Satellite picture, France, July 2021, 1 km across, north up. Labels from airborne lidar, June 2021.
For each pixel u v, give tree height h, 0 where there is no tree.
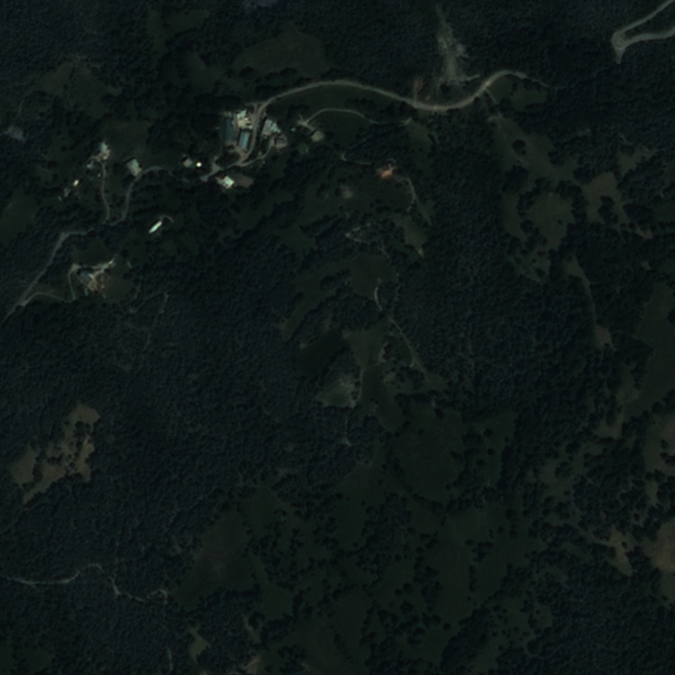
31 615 18
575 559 10
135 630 17
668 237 14
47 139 12
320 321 12
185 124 18
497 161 7
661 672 14
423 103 0
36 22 12
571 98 26
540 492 8
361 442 10
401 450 0
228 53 10
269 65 0
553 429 14
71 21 10
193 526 16
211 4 11
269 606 0
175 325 6
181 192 14
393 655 11
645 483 12
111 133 0
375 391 0
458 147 7
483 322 11
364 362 0
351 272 9
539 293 8
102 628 13
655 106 13
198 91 0
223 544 0
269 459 20
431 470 0
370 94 0
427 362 6
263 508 0
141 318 7
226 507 16
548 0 17
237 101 14
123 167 8
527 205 9
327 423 10
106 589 13
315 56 0
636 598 18
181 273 7
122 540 11
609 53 18
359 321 18
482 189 7
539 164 0
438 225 7
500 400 17
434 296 7
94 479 15
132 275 11
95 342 7
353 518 0
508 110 21
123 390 10
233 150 0
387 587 0
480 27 11
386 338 7
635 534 13
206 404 12
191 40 8
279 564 24
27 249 7
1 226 0
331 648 0
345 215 7
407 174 8
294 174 23
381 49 9
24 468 0
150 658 17
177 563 25
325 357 0
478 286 14
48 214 7
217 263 10
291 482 12
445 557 0
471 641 18
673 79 10
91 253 0
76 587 11
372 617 10
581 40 10
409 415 13
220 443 15
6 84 6
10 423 15
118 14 11
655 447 0
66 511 14
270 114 9
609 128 16
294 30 0
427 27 12
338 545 16
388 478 0
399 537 10
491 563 0
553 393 29
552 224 0
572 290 9
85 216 10
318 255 17
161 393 8
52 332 22
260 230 14
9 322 11
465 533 0
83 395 13
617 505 16
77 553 14
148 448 11
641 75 13
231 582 0
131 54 17
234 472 20
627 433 16
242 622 12
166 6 12
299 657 17
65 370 13
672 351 0
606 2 11
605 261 19
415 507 0
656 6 8
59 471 0
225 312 11
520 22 14
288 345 9
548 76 22
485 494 11
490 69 13
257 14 12
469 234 14
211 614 21
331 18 9
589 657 9
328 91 0
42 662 0
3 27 9
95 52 14
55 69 10
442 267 9
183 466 10
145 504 9
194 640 14
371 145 13
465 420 13
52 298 0
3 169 20
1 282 6
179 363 9
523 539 0
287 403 12
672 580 0
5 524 8
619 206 0
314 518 14
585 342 14
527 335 20
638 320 12
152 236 8
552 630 10
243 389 10
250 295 10
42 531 10
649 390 0
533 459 19
